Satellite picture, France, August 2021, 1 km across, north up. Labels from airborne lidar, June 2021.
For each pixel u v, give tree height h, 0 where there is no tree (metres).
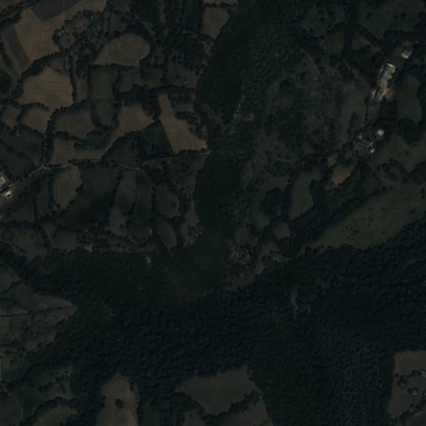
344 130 0
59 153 0
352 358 13
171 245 0
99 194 0
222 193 12
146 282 15
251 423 0
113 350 17
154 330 14
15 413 0
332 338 10
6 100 8
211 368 14
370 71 0
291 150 6
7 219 0
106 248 12
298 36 18
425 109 18
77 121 0
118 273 14
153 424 0
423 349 8
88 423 23
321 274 26
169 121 0
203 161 0
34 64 9
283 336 11
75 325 12
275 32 9
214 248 7
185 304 9
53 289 10
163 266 7
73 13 0
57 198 0
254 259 15
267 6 11
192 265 9
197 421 0
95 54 11
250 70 9
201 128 10
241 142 6
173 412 11
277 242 11
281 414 12
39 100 0
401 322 16
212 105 13
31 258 0
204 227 8
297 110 13
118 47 0
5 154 0
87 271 16
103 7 0
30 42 0
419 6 0
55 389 0
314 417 13
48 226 0
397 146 0
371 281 23
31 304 0
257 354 16
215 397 0
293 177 15
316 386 25
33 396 0
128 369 14
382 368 11
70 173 0
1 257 16
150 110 9
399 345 23
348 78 13
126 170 9
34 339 0
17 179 10
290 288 23
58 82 0
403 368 0
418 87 0
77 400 12
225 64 11
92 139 0
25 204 0
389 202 0
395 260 24
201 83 12
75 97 10
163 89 14
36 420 9
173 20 13
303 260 12
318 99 0
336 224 6
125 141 12
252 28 8
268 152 10
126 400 0
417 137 19
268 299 15
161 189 0
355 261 26
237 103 9
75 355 11
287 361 15
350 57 12
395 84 8
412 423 0
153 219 8
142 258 10
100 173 0
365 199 10
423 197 10
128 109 0
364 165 11
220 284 11
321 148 8
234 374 0
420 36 19
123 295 15
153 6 15
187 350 19
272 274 11
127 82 0
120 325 21
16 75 0
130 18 12
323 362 14
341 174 0
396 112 10
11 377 0
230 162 13
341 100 7
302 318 30
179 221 12
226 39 8
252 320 16
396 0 0
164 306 9
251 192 14
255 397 8
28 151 0
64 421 0
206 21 0
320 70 12
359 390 14
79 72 15
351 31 18
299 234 20
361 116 0
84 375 21
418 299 18
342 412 10
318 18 7
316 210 15
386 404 11
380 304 29
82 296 12
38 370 23
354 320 13
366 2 15
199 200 12
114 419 0
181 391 0
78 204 0
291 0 18
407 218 0
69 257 12
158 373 20
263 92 13
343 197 7
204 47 9
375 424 14
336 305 21
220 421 11
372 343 10
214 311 30
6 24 11
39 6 0
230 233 10
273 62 13
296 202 0
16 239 0
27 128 8
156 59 11
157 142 0
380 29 0
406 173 10
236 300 19
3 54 9
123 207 0
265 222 0
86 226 0
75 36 8
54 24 0
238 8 6
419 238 17
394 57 0
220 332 23
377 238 0
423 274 12
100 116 0
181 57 10
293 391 14
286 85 8
